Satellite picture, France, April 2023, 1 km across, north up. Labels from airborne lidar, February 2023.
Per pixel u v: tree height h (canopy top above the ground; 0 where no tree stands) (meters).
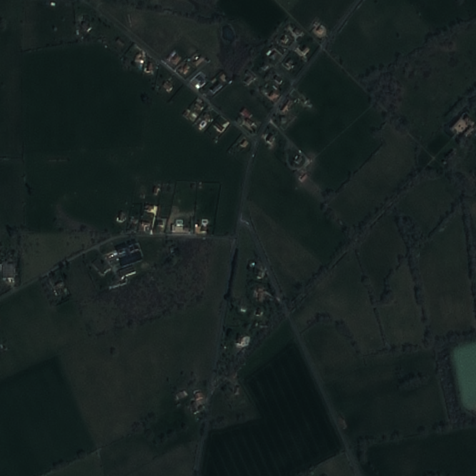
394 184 0
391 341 0
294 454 0
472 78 0
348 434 0
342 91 0
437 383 0
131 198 0
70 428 0
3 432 0
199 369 0
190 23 0
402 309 0
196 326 0
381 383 0
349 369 0
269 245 0
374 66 0
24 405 0
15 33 0
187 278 0
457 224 0
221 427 16
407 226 22
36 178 0
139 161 0
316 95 0
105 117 0
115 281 11
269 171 0
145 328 0
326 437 0
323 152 0
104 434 0
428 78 0
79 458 14
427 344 17
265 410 0
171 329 0
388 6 0
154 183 0
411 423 0
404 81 0
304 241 0
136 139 0
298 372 0
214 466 0
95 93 0
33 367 0
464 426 13
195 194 0
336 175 0
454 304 0
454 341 19
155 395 0
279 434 0
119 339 0
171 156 0
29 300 0
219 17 11
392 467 0
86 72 0
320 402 0
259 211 0
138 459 0
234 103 0
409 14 0
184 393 0
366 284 14
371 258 0
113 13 0
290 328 0
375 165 0
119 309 0
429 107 0
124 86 0
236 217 0
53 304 11
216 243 0
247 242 0
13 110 0
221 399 0
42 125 0
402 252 0
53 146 0
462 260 0
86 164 0
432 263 0
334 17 0
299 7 0
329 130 0
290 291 0
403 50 0
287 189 0
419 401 0
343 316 0
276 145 0
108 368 0
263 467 0
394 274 7
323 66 0
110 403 0
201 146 0
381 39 0
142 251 0
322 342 0
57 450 0
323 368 0
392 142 0
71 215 0
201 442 0
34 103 0
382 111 18
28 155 0
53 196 0
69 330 0
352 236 18
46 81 0
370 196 0
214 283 0
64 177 0
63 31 0
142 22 0
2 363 0
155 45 0
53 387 0
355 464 0
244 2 0
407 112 0
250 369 0
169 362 0
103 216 0
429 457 0
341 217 0
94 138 0
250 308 0
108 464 0
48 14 0
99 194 0
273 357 0
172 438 15
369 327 0
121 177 0
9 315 0
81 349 0
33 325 0
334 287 0
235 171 0
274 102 8
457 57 0
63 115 0
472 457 0
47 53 0
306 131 0
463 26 16
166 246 8
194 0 0
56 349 0
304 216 0
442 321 0
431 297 0
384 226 0
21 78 0
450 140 0
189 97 0
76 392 0
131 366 0
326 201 18
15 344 0
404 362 0
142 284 0
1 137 0
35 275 0
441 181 0
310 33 0
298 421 0
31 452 0
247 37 0
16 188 0
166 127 0
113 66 0
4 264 0
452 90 0
